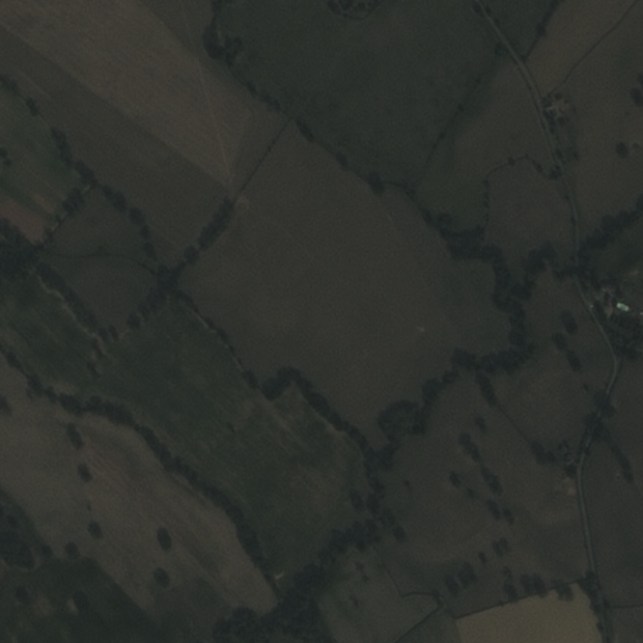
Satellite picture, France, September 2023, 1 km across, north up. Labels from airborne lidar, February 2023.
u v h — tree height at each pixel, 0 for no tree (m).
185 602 0
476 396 0
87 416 0
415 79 0
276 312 0
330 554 12
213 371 0
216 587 0
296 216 0
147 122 0
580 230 0
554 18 0
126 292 0
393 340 0
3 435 0
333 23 0
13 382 0
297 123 8
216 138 0
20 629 0
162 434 0
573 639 0
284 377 16
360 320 0
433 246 0
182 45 0
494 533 0
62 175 0
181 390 0
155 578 11
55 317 0
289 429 0
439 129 0
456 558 0
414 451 0
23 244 17
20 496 0
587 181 0
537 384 0
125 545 0
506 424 0
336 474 0
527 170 0
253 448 0
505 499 0
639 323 15
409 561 0
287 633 13
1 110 0
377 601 0
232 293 0
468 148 0
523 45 0
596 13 0
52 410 0
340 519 0
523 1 0
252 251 0
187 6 0
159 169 0
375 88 0
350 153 0
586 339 0
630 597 0
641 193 0
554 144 0
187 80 0
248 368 0
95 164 0
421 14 0
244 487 0
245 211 0
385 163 0
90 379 0
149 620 0
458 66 0
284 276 0
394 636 0
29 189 0
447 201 0
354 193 0
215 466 0
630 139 0
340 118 0
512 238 0
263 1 0
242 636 16
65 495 0
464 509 0
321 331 0
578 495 0
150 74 0
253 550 18
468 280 0
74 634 0
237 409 0
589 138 0
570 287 0
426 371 0
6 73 0
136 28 0
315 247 0
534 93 0
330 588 0
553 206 0
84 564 0
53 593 0
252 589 0
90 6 0
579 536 0
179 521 0
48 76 0
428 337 0
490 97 0
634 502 0
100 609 0
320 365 0
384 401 0
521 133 0
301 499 0
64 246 0
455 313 0
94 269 0
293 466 0
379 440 0
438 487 0
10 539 19
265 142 0
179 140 0
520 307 16
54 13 0
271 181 0
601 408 21
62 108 0
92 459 0
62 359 0
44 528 0
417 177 0
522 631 0
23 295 0
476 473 0
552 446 0
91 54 0
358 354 0
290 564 0
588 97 0
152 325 0
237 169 0
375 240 0
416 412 14
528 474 0
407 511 0
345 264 0
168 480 0
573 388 0
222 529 0
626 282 0
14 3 0
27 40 0
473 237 14
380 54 0
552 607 0
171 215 0
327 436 0
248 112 0
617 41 0
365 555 0
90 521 0
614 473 0
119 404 0
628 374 0
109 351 0
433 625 0
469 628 0
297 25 0
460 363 13
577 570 0
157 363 0
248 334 0
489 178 0
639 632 0
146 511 0
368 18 0
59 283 17
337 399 0
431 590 0
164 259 0
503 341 0
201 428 0
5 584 0
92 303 0
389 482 0
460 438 0
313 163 0
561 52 0
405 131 0
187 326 0
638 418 0
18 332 0
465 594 0
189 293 0
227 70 0
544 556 0
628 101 0
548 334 0
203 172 0
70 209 18
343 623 0
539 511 0
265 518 0
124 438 0
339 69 0
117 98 0
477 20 0
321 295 0
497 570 0
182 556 0
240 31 0
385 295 0
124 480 0
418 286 0
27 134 0
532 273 22
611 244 0
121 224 0
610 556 0
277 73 0
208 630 0
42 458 0
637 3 0
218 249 0
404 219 0
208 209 0
